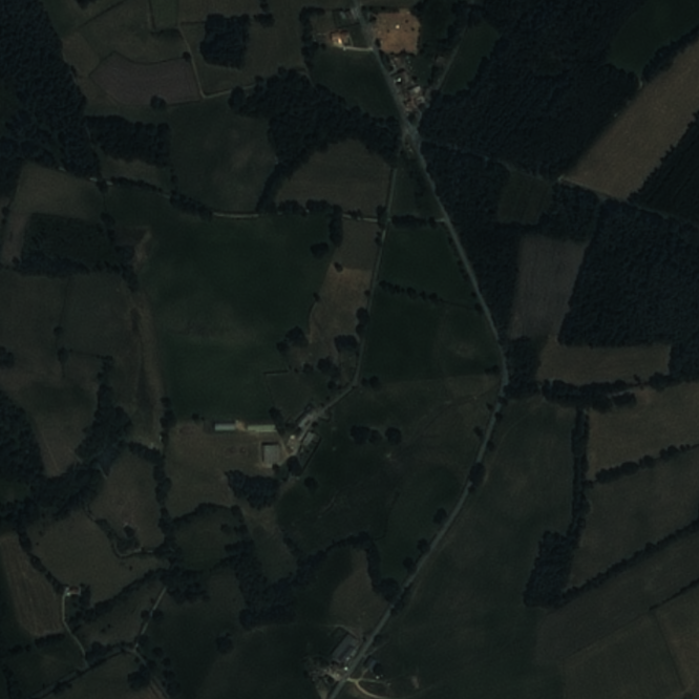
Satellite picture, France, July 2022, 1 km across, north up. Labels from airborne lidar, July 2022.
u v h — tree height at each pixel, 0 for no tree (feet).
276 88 56
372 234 0
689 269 82
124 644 24
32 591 0
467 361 0
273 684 0
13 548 0
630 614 0
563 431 0
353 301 0
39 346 0
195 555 0
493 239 64
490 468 0
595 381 0
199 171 0
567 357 0
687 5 0
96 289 0
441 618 0
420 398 0
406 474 0
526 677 0
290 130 66
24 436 46
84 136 94
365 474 0
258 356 0
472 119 61
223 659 0
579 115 62
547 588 41
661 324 75
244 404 0
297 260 0
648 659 0
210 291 0
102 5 0
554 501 0
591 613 0
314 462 0
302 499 0
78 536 0
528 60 76
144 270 0
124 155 51
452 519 0
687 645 0
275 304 0
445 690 0
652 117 0
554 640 0
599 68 58
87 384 0
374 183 0
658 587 0
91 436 27
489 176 67
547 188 0
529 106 63
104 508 0
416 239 0
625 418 0
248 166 0
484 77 52
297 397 0
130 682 32
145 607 0
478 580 0
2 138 0
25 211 0
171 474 0
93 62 0
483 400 0
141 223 0
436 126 61
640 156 0
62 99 103
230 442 0
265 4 35
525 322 0
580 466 38
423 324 0
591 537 0
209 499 0
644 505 0
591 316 31
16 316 0
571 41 70
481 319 0
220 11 0
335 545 52
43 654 0
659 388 60
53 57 107
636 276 64
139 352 0
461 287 0
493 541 0
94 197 0
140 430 0
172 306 0
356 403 0
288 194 0
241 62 72
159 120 0
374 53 0
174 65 0
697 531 33
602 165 0
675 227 63
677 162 21
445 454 0
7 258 0
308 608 0
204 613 0
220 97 0
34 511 75
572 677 0
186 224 0
